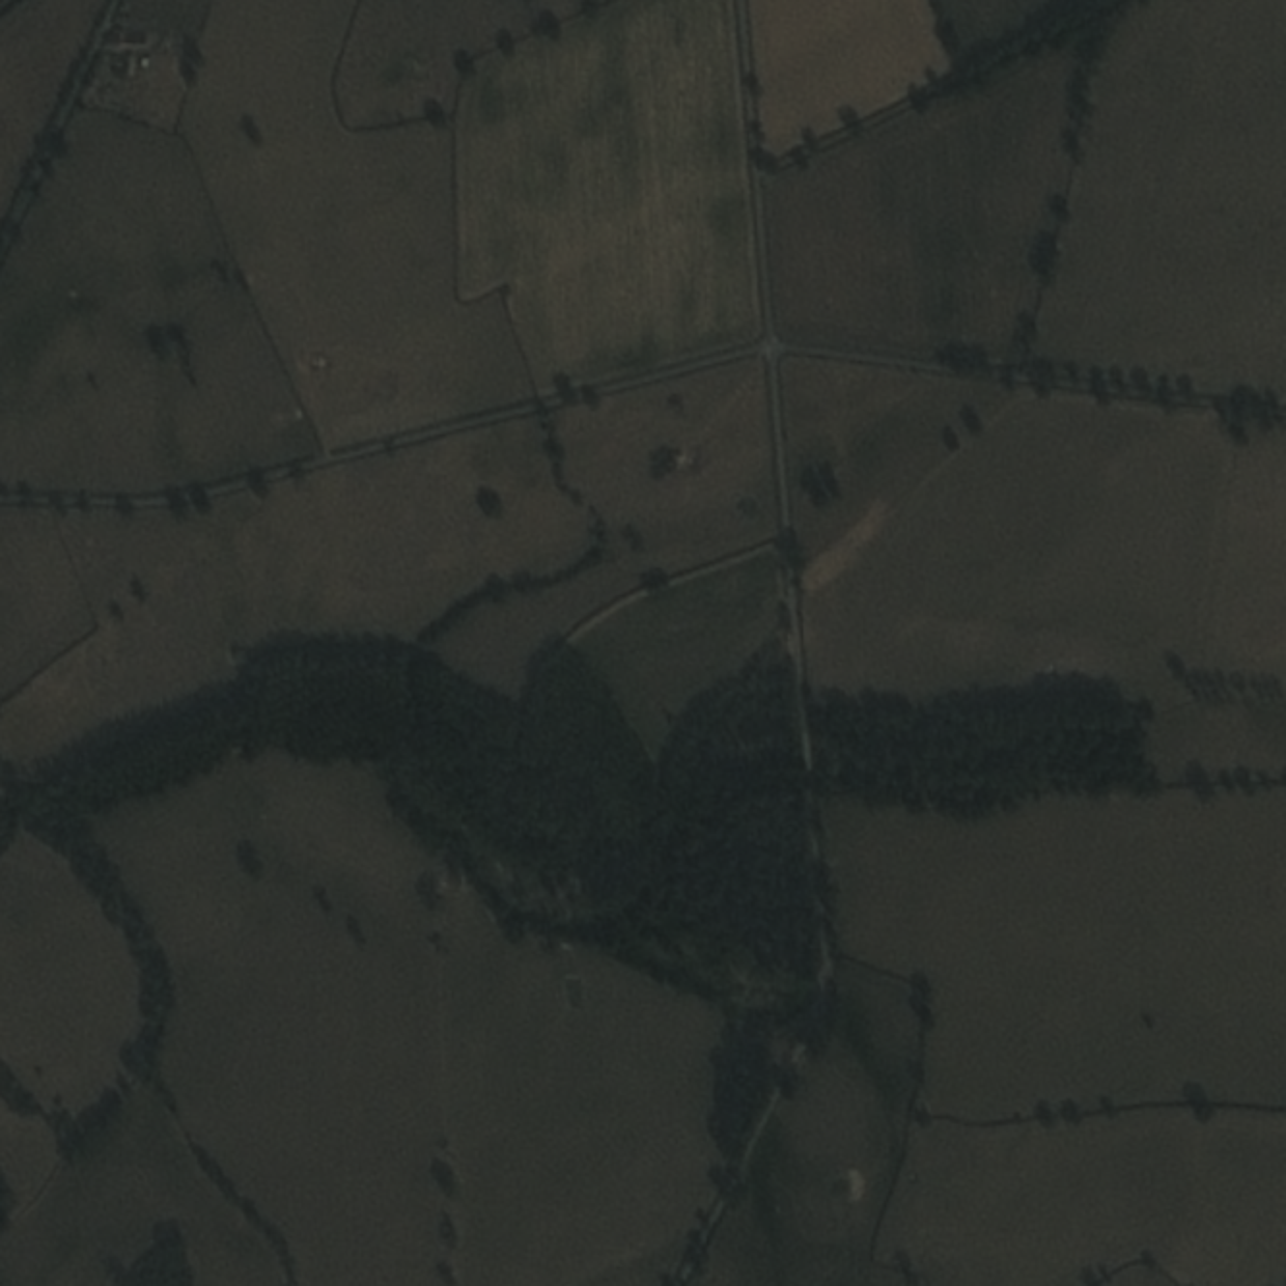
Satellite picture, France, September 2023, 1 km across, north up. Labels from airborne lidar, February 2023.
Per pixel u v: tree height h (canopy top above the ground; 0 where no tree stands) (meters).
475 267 0
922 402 0
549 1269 0
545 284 0
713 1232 0
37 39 0
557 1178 0
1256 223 0
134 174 0
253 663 17
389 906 0
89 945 0
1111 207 0
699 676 0
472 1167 0
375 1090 0
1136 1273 0
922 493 0
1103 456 0
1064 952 0
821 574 0
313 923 0
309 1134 0
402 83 0
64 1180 0
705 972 7
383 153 0
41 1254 0
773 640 9
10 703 0
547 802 17
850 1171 0
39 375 0
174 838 0
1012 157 0
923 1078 14
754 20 0
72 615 0
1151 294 0
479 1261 0
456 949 0
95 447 0
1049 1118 13
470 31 0
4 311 0
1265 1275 0
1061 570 0
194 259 0
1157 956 0
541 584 6
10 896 0
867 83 0
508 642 0
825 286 0
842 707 17
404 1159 0
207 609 0
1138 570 0
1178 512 0
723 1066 17
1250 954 0
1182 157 0
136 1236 0
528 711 11
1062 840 0
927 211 0
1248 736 0
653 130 0
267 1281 0
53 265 0
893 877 0
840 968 12
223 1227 0
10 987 0
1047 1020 0
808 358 0
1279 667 0
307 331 0
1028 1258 0
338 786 0
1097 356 0
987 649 0
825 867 9
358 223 0
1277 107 0
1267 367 0
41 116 0
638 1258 0
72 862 5
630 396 0
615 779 17
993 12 0
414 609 0
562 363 0
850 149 0
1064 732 20
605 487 0
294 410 0
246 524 0
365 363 0
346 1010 0
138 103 0
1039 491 0
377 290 0
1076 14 17
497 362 0
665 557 0
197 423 0
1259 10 0
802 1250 0
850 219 0
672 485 0
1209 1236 0
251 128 15
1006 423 0
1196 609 0
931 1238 0
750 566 0
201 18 0
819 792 14
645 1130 0
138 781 7
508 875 7
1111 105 0
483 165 0
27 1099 7
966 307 0
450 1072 0
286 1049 0
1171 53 0
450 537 0
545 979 0
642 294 0
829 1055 0
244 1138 0
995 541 0
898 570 0
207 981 0
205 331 0
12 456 0
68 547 0
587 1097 0
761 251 0
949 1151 0
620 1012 0
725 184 0
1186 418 0
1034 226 0
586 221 0
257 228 0
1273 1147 0
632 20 0
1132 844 0
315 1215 0
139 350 0
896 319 0
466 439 0
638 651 0
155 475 0
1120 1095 0
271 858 0
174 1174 0
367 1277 0
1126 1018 0
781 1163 0
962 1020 0
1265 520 0
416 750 32
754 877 28
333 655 22
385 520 0
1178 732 0
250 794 0
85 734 0
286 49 0
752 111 0
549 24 14
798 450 0
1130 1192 0
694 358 0
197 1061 0
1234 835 0
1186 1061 0
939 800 19
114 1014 0
